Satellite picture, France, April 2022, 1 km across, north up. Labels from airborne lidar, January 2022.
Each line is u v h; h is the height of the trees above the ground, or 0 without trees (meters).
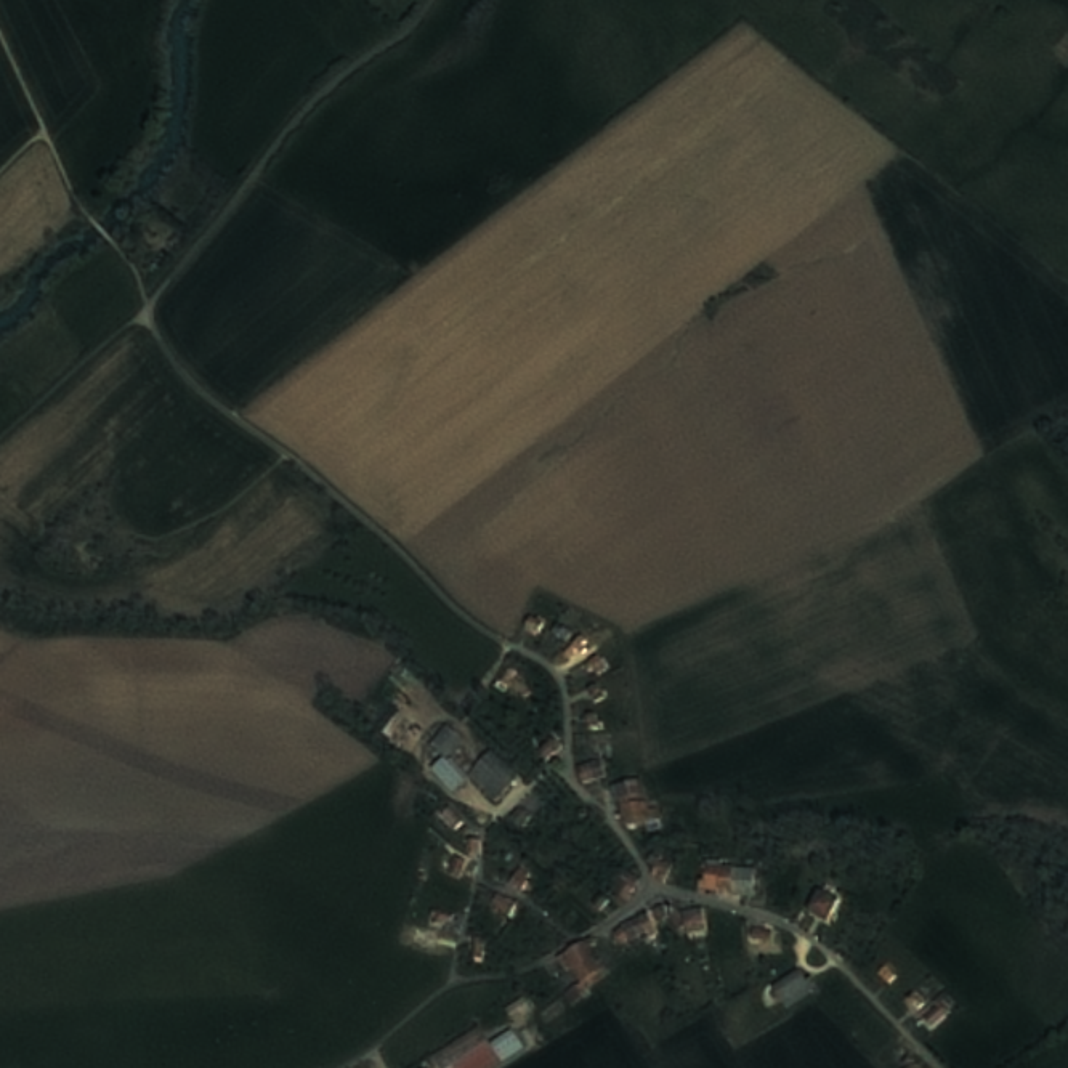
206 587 0
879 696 0
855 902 6
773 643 0
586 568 0
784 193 0
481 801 0
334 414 0
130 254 10
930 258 0
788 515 0
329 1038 0
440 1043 0
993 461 0
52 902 0
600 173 0
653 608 0
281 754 0
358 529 10
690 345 0
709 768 0
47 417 0
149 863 0
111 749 0
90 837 0
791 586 0
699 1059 0
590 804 0
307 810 0
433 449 0
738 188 0
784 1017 0
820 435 0
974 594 0
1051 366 0
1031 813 0
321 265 0
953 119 0
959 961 0
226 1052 0
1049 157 0
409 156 0
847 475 0
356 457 0
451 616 0
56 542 0
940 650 0
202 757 0
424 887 0
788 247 0
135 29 0
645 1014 0
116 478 0
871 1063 0
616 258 0
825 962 0
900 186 0
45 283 14
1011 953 0
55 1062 0
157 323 0
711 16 0
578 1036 0
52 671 0
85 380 0
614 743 0
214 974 0
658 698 0
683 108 0
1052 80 0
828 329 0
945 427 0
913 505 0
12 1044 0
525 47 0
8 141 0
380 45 0
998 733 0
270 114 0
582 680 0
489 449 0
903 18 0
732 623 0
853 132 0
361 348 0
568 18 0
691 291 0
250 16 0
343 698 14
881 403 0
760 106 0
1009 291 0
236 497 0
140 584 0
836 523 0
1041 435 9
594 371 0
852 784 0
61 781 0
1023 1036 0
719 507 0
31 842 0
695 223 0
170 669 0
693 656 0
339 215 0
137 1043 0
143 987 0
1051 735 0
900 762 0
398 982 0
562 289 0
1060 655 0
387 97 0
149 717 0
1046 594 0
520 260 0
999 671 0
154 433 0
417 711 0
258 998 0
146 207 15
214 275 0
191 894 0
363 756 0
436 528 0
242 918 0
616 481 0
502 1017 0
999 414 0
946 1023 0
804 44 0
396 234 0
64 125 0
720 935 0
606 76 0
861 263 0
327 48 0
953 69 0
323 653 0
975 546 0
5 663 0
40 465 0
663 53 0
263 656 0
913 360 0
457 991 0
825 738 0
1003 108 0
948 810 0
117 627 19
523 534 0
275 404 0
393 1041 0
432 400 0
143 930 0
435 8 0
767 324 0
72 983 0
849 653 0
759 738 0
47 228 0
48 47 0
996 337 0
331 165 0
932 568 0
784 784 0
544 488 0
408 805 0
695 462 0
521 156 0
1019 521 0
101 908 0
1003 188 0
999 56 0
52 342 0
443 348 0
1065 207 0
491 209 0
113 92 0
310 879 0
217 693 0
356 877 0
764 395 0
